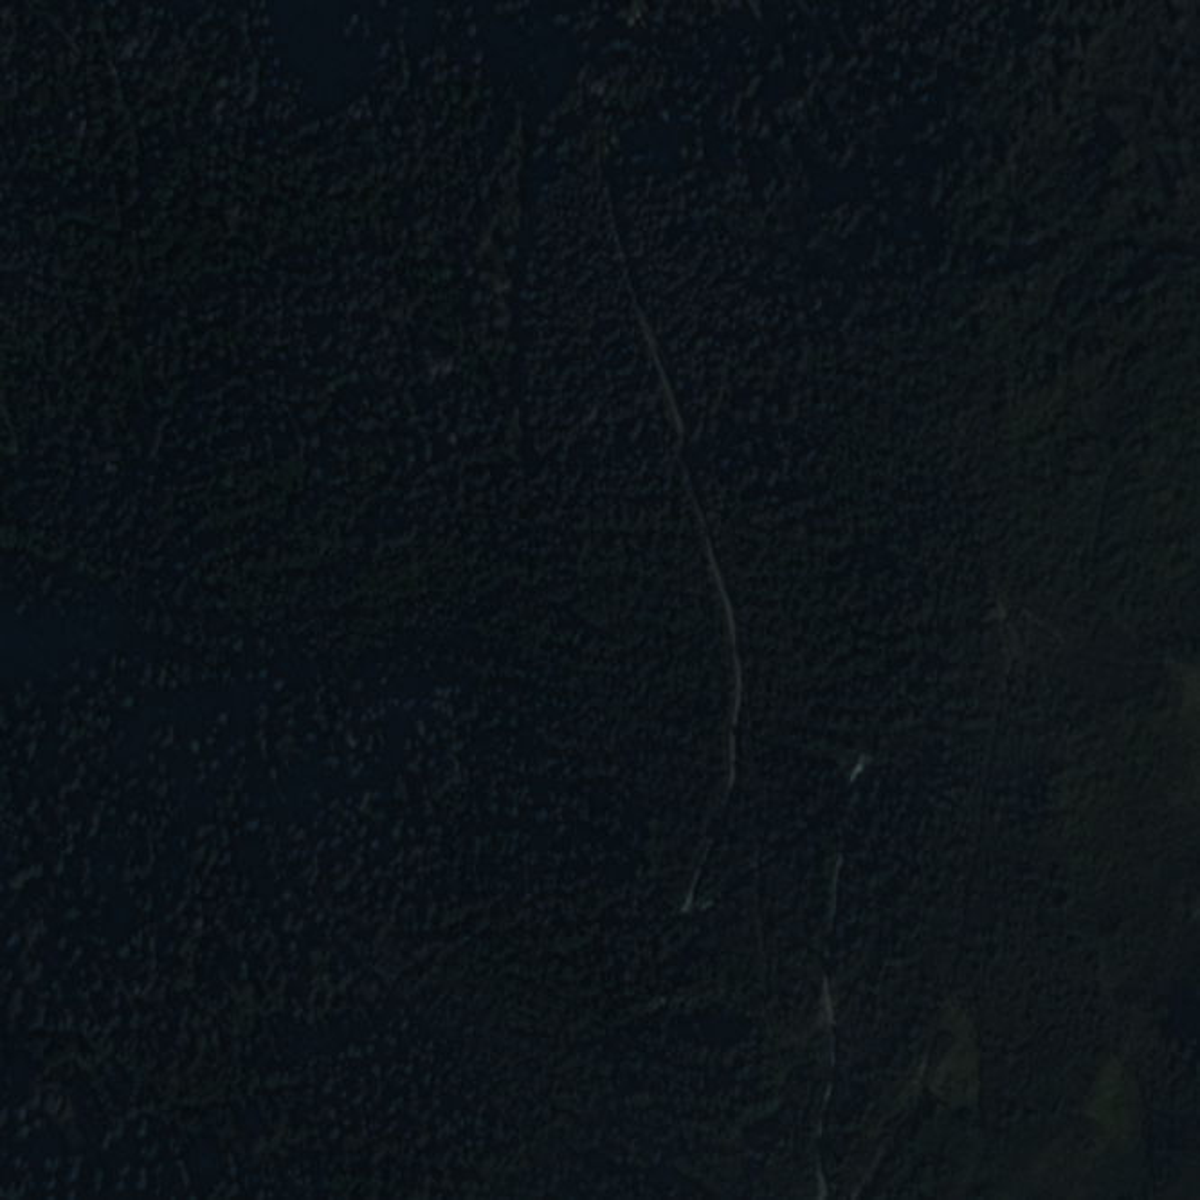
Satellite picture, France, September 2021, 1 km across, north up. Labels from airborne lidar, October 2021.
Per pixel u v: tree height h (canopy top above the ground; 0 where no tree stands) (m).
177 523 18
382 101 18
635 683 7
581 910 18
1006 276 11
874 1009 7
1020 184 5
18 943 33
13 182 14
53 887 7
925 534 13
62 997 6
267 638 12
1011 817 6
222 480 25
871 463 11
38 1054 11
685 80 28
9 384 10
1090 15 14
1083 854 7
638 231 22
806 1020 7
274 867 9
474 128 16
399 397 10
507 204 26
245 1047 9
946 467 8
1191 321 8
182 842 21
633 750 7
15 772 11
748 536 8
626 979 26
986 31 11
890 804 8
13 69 14
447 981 11
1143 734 7
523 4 32
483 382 12
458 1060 8
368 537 24
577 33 25
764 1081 6
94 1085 7
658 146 8
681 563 7
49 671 15
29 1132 37
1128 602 6
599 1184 10
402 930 14
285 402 33
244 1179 14
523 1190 7
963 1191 0
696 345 26
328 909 12
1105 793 8
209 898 10
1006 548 7
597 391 26
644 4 0
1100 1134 0
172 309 15
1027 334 9
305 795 20
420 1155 19
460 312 18
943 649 10
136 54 26
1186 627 5
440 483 17
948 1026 0
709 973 12
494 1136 27
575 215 25
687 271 24
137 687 29
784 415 18
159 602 14
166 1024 9
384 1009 9
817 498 16
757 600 8
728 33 0
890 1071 7
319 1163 7
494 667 9
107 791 29
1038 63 25
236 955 7
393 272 11
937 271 12
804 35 18
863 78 10
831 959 10
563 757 10
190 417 9
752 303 24
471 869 18
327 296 30
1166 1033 6
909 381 9
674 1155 7
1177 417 10
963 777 7
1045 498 7
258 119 20
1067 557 8
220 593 18
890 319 6
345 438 15
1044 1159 0
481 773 21
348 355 37
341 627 14
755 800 7
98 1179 15
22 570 12
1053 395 12
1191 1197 0
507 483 28
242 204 16
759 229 7
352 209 24
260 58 26
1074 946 7
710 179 6
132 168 20
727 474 8
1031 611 5
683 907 0
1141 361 7
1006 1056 7
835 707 9
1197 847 6
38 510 26
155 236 22
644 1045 9
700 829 8
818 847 10
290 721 19
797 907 7
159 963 11
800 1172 8
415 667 16
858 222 7
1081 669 5
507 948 15
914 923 6
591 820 21
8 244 36
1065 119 9
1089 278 6
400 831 24
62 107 7
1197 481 9
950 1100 0
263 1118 10
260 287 22
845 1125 8
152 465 10
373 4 37
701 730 8
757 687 8
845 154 26
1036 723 6
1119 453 7
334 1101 11
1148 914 6
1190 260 11
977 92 9
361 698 13
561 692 7
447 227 21
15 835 7
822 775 6
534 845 6
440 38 12
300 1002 11
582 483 24
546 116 29
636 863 8
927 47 27
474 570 10
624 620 7
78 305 13
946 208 6
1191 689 0
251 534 15
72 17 17
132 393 9
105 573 16
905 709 7
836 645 13
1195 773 0
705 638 7
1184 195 9
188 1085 9
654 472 27
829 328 8
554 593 11
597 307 24
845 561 14
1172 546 6
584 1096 7
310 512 17
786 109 23
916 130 10
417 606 13
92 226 24
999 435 7
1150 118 10
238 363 18
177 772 8
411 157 30
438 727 31
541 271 31
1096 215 10
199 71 19
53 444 29
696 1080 6
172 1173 37
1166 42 6
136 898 14
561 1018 9
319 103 16
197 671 15
